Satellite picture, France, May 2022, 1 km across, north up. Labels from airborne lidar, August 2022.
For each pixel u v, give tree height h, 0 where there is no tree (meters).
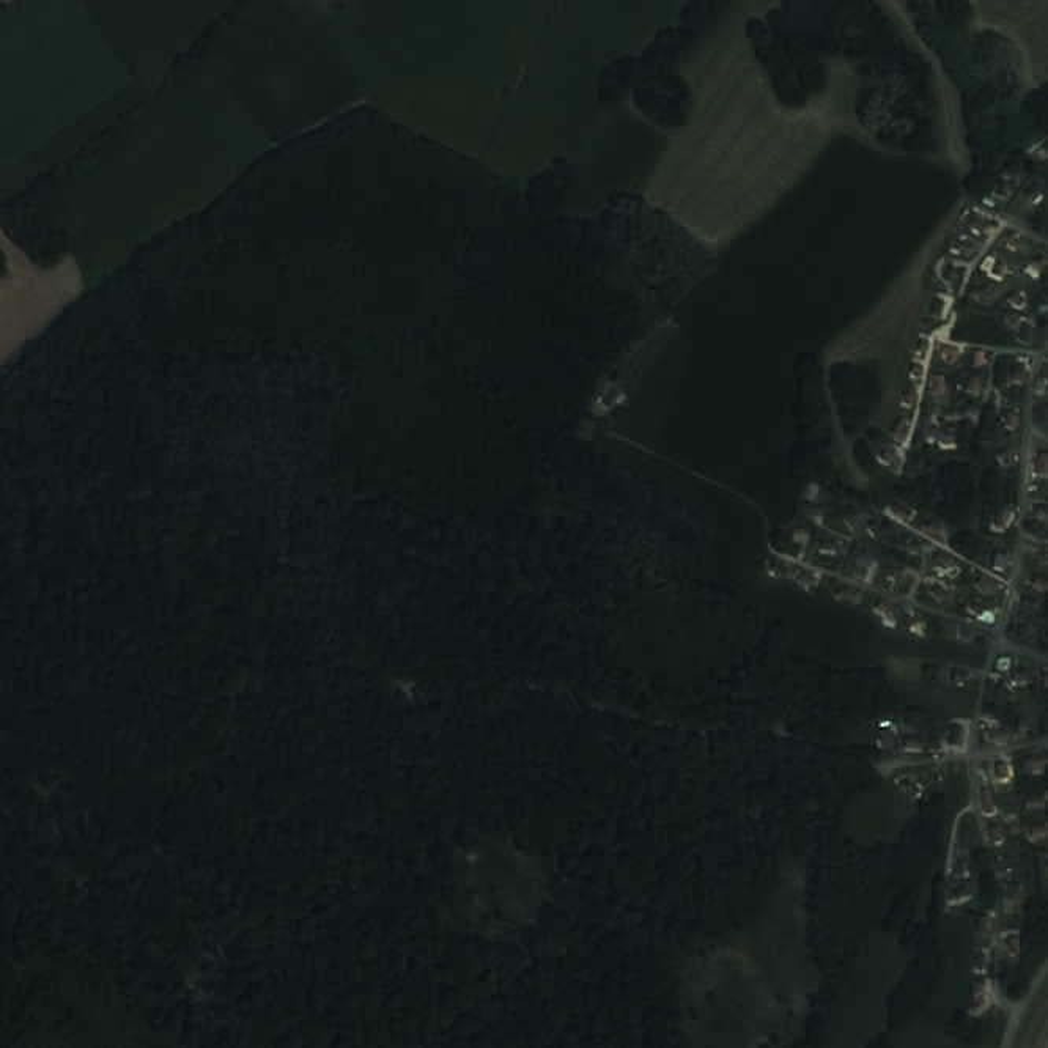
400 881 31
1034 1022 0
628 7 0
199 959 25
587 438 20
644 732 25
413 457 13
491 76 0
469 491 10
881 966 0
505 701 27
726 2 16
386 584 27
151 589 31
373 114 13
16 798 29
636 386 0
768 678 22
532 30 0
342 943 31
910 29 0
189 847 30
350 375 8
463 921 0
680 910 23
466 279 14
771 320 0
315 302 11
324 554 21
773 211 0
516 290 17
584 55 0
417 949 33
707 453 0
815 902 22
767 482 0
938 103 18
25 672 28
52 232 12
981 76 23
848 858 20
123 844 30
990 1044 0
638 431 0
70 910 28
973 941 0
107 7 0
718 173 0
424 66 0
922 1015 11
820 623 0
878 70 20
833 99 0
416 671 27
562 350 16
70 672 32
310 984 28
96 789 31
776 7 0
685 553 28
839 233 0
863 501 12
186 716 31
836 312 0
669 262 25
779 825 24
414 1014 27
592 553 20
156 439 16
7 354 0
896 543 7
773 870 24
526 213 13
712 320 0
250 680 30
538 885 0
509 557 33
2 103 0
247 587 26
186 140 0
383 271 17
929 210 0
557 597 31
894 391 0
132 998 29
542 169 0
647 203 15
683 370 0
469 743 31
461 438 16
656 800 22
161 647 28
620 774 29
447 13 0
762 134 0
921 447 7
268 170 16
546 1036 31
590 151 0
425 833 29
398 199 18
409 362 9
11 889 31
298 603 26
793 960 0
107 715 32
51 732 30
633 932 23
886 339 0
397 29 0
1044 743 0
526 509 29
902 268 0
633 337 18
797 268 0
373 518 27
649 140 0
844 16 24
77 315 23
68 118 0
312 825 28
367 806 29
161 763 31
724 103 0
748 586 0
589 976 27
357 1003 26
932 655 0
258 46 0
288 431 8
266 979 26
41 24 0
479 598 31
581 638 28
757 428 0
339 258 16
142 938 29
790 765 25
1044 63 0
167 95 0
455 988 29
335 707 30
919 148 15
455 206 16
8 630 30
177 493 25
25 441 27
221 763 31
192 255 25
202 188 0
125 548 32
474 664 27
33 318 0
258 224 18
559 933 28
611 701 24
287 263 12
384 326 7
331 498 20
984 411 8
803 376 13
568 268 16
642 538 27
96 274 0
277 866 32
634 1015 26
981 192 8
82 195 0
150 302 30
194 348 6
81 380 29
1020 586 0
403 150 17
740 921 19
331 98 0
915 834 24
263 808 30
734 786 24
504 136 0
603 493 30
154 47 0
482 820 29
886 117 24
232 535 19
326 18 0
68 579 29
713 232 0
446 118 0
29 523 6
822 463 20
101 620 29
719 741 18
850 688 20
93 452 23
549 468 23
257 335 7
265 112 0
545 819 33
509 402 10
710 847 22
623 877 29
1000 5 0
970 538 20
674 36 16
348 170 19
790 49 22
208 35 11
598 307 14
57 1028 9
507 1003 29
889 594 0
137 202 0
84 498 24
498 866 0
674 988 29
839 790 20
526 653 29
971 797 0
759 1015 0
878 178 0
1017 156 16
